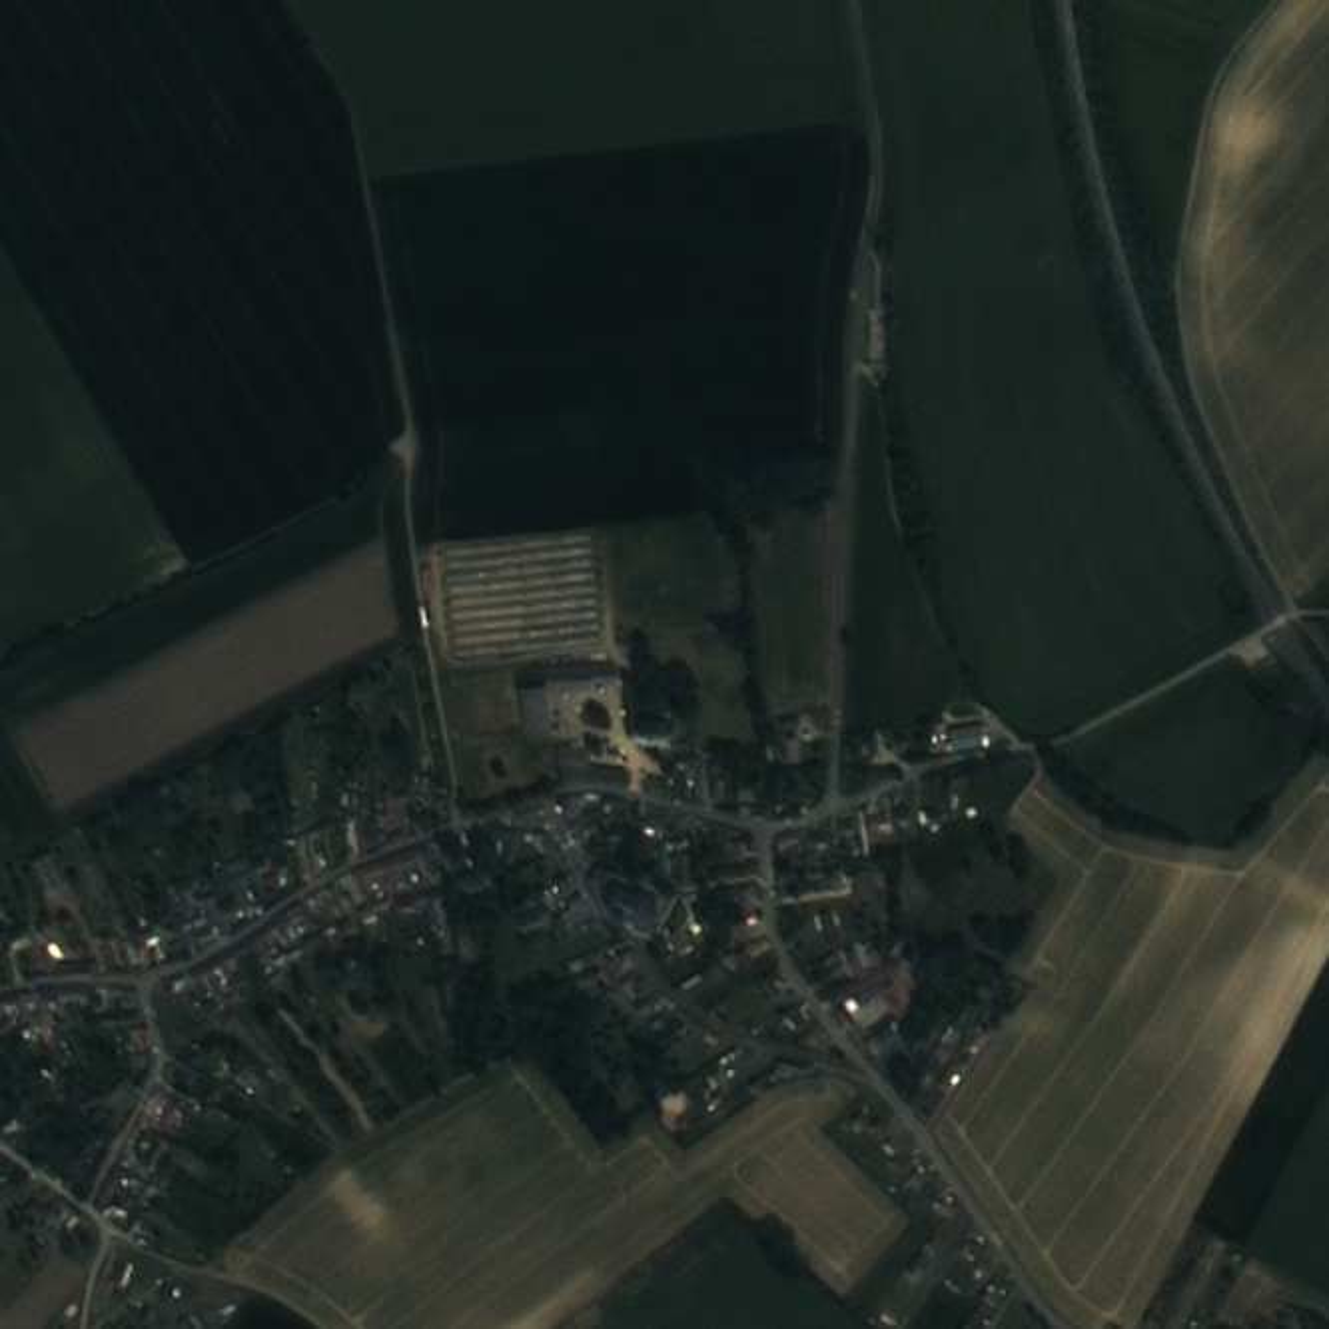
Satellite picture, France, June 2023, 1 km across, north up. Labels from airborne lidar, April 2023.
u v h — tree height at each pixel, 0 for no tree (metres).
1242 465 0
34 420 0
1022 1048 0
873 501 0
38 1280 0
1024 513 0
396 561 0
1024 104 0
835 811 0
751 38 0
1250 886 0
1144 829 13
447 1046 0
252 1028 0
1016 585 0
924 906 0
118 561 0
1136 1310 0
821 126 0
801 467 25
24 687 0
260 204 0
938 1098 0
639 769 0
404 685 0
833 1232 0
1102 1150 0
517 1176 0
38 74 0
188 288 0
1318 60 0
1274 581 0
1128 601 0
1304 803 0
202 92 0
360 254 0
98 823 11
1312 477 0
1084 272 0
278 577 0
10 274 0
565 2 0
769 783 8
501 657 0
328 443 0
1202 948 0
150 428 0
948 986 14
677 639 0
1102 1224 0
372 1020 0
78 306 0
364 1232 0
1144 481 0
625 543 0
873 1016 0
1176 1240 0
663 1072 10
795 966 0
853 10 0
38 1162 9
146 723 0
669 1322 0
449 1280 0
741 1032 0
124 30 0
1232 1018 0
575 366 0
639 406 0
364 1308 0
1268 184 0
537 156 0
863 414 0
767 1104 0
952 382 0
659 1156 0
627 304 0
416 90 0
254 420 0
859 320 0
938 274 0
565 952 0
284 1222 0
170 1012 0
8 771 0
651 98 0
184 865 0
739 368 0
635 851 18
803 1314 0
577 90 0
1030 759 0
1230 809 0
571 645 0
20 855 0
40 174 0
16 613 0
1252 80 0
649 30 0
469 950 0
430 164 0
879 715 0
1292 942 0
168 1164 11
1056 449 0
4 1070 12
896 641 0
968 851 0
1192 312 0
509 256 0
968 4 0
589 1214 0
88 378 0
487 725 0
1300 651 0
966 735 0
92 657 0
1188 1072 0
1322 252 0
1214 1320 0
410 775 9
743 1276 0
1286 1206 0
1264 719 0
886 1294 0
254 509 0
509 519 0
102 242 0
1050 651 0
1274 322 0
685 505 0
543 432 0
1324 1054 0
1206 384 0
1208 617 0
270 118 0
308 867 0
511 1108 0
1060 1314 0
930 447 0
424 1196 0
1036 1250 0
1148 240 7
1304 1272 0
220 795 7
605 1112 18
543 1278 0
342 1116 6
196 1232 0
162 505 0
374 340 0
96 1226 0
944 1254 0
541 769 0
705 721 0
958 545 0
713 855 7
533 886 7
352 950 7
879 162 0
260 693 0
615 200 0
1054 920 0
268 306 0
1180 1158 0
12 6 0
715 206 0
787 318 0
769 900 0
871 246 0
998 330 0
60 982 0
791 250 0
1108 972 0
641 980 5
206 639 0
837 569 0
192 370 0
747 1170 0
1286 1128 0
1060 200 0
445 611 0
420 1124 0
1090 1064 0
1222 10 0
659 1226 0
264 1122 0
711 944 6
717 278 0
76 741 0
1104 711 0
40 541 0
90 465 0
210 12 0
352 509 0
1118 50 0
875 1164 0
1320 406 0
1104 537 0
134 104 0
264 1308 0
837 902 0
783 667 0
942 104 0
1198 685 0
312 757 0
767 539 0
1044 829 0
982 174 0
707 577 0
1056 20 6
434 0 0
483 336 0
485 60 0
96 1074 0
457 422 0
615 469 0
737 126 0
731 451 0
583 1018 15
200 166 0
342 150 0
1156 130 0
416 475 0
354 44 0
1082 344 0
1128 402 0
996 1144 0
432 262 0
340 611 0
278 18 0
